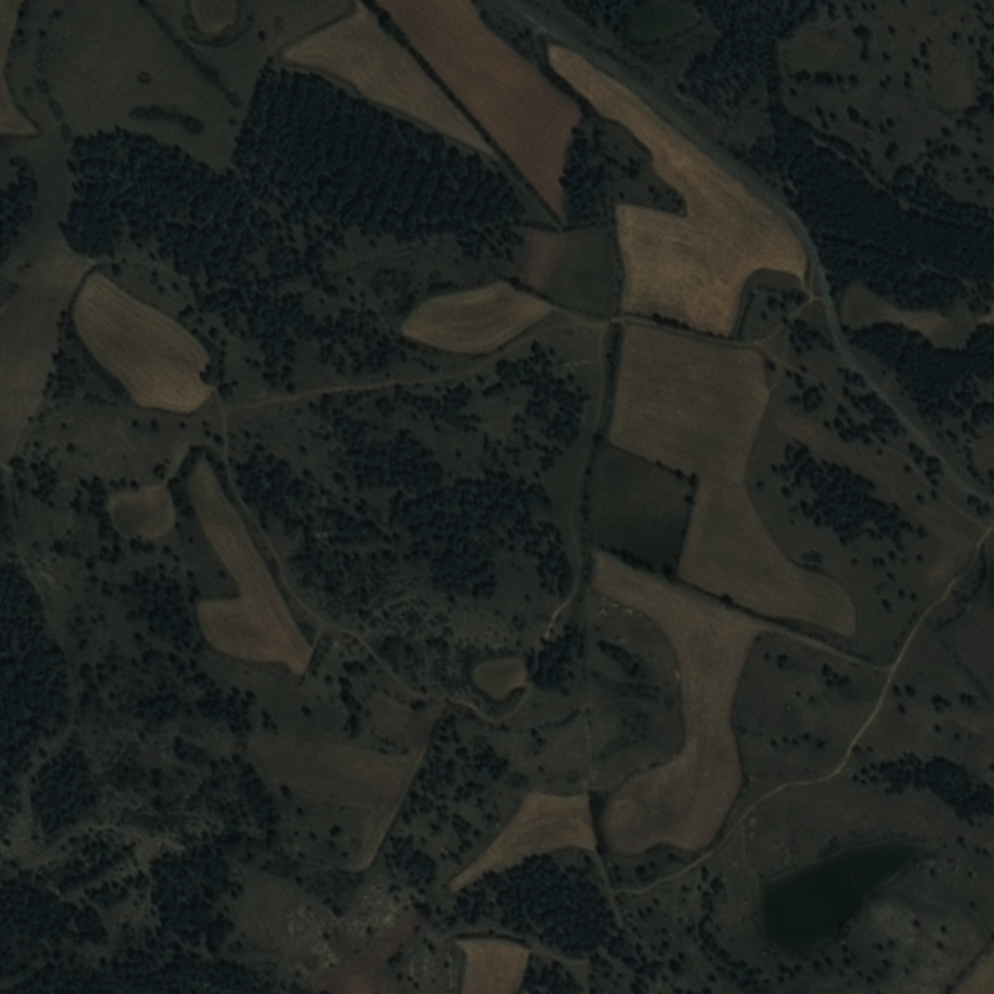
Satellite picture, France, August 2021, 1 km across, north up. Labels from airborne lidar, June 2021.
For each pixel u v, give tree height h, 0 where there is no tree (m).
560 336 0
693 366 0
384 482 8
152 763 0
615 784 0
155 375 0
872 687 0
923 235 16
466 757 10
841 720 0
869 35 14
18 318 0
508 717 0
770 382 0
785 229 0
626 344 0
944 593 0
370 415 0
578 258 0
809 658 0
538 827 0
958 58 0
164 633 12
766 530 0
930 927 0
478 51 0
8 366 0
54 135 0
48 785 10
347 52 0
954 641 0
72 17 0
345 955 0
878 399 12
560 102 0
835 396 0
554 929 8
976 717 0
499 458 10
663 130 0
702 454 0
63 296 0
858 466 0
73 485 0
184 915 18
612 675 0
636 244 0
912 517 0
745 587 0
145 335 0
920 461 11
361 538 8
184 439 0
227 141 0
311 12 0
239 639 0
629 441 0
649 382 0
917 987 0
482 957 0
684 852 0
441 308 0
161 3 0
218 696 9
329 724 0
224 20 0
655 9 0
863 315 0
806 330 9
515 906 10
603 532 0
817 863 0
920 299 10
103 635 0
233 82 0
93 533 0
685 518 0
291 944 0
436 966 0
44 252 0
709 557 0
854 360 0
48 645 9
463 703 0
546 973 9
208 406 0
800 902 0
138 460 0
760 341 0
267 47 0
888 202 15
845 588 0
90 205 11
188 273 12
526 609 0
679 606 0
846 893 0
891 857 0
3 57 0
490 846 0
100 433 0
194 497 0
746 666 0
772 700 0
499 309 0
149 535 0
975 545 0
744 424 0
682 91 11
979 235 15
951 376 13
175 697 11
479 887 9
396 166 16
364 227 8
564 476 0
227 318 8
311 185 12
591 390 0
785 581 0
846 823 0
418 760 0
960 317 0
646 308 0
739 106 13
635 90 0
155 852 0
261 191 12
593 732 0
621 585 0
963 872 0
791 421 0
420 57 8
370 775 0
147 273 0
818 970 7
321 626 0
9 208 10
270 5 0
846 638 0
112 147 12
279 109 16
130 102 0
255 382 0
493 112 0
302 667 0
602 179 11
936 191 7
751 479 0
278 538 0
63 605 0
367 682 0
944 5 0
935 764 9
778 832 0
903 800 0
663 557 0
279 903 0
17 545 0
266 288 12
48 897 6
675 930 0
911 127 0
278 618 0
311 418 0
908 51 0
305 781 0
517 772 0
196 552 0
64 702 9
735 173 0
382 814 0
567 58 0
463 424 9
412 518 9
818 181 16
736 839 0
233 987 11
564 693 8
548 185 0
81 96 0
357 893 0
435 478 13
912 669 0
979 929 0
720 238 0
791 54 0
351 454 8
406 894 0
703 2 10
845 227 17
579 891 9
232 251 12
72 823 9
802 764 0
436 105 0
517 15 0
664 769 0
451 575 8
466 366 0
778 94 13
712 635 0
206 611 0
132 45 0
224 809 10
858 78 6
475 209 15
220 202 13
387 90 0
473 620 0
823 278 0
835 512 13
